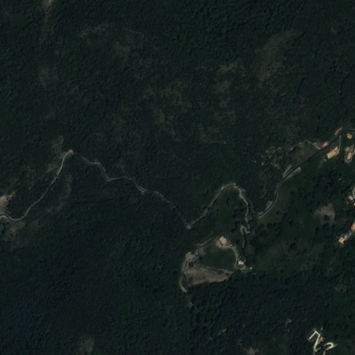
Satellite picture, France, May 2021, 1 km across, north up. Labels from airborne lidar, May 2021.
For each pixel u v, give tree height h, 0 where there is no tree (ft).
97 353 54
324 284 85
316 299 62
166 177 24
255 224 28
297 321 50
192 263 34
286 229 0
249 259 57
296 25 40
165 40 23
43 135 53
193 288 67
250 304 46
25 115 27
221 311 51
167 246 36
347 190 30
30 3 29
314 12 34
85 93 41
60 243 63
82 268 58
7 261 65
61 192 22
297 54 29
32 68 28
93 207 61
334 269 39
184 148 25
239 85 21
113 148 30
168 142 31
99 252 44
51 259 53
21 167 43
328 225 37
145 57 28
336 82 24
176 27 44
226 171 31
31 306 17
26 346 36
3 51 48
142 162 31
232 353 67
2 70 48
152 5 70
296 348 76
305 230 0
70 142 52
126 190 35
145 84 24
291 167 29
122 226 49
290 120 24
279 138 33
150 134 33
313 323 67
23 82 21
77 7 24
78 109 26
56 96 28
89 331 33
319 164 0
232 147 39
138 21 33
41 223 30
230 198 51
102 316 64
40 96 34
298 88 27
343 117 29
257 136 28
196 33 37
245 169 38
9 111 24
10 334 23
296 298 49
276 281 78
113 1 26
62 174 31
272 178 30
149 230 50
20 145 19
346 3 38
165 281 61
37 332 42
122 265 45
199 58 31
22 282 40
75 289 54
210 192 41
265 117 24
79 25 20
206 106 19
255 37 47
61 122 41
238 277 37
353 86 63
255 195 32
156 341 27
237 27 41
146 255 36
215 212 63
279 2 27
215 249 0
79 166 42
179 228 52
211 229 34
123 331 47
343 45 52
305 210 0
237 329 53
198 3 36
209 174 49
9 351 49
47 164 52
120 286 65
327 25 23
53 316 58
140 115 23
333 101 27
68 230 58
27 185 57
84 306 30
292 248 38
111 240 39
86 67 28
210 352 44
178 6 30
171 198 39
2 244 65
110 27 20
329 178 27
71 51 22
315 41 47
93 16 19
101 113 22
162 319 51
